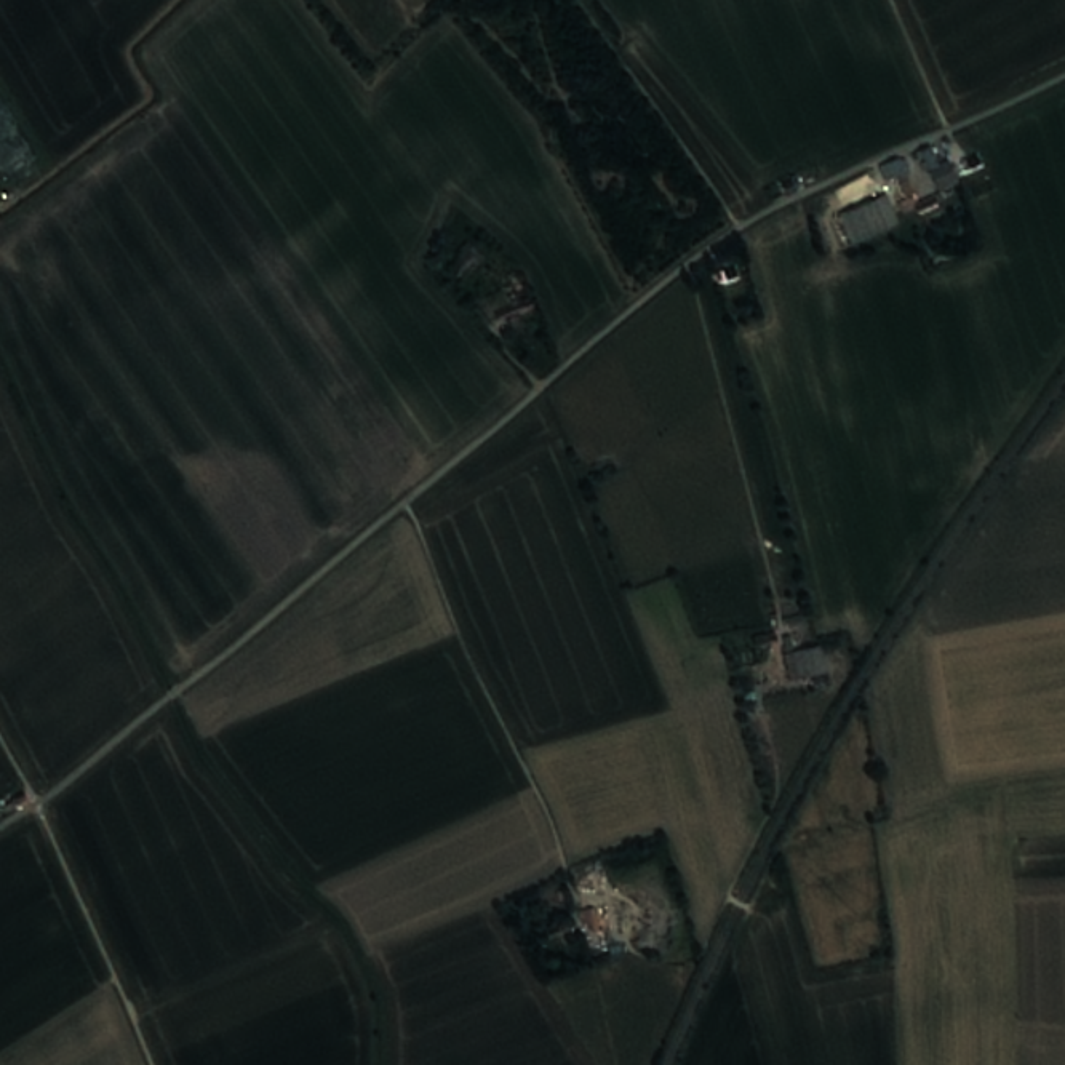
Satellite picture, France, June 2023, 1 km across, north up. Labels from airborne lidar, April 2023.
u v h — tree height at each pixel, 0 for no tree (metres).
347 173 0
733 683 9
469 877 0
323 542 0
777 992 0
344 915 0
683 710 0
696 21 0
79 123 0
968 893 0
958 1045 0
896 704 0
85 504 0
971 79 0
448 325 0
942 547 0
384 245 0
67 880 0
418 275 0
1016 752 0
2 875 0
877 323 0
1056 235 0
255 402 0
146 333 0
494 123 0
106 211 0
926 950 0
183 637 0
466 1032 0
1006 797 0
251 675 0
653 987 0
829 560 0
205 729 0
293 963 0
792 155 0
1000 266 0
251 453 0
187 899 0
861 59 0
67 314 0
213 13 0
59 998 0
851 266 0
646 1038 0
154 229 0
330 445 0
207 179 0
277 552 0
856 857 0
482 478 0
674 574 9
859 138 0
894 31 0
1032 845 0
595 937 0
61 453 0
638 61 0
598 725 0
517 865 0
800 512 0
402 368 0
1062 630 0
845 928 0
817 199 0
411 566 0
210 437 0
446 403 0
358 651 0
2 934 0
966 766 0
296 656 0
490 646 0
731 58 0
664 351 0
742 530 0
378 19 0
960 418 0
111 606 0
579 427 0
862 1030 0
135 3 0
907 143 0
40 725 0
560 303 0
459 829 0
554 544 0
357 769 0
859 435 0
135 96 0
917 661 0
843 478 0
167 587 0
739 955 0
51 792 0
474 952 0
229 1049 0
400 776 0
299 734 0
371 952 0
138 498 0
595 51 10
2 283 0
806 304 0
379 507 0
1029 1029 0
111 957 0
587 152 13
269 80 0
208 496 0
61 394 0
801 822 0
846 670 0
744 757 0
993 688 0
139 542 0
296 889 0
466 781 0
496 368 0
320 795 0
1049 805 0
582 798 0
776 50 0
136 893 0
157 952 0
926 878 0
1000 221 0
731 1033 0
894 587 0
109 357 0
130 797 0
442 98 0
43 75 0
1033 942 0
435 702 0
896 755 0
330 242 0
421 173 0
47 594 0
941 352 0
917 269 0
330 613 0
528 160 0
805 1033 0
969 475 0
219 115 0
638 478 0
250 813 0
